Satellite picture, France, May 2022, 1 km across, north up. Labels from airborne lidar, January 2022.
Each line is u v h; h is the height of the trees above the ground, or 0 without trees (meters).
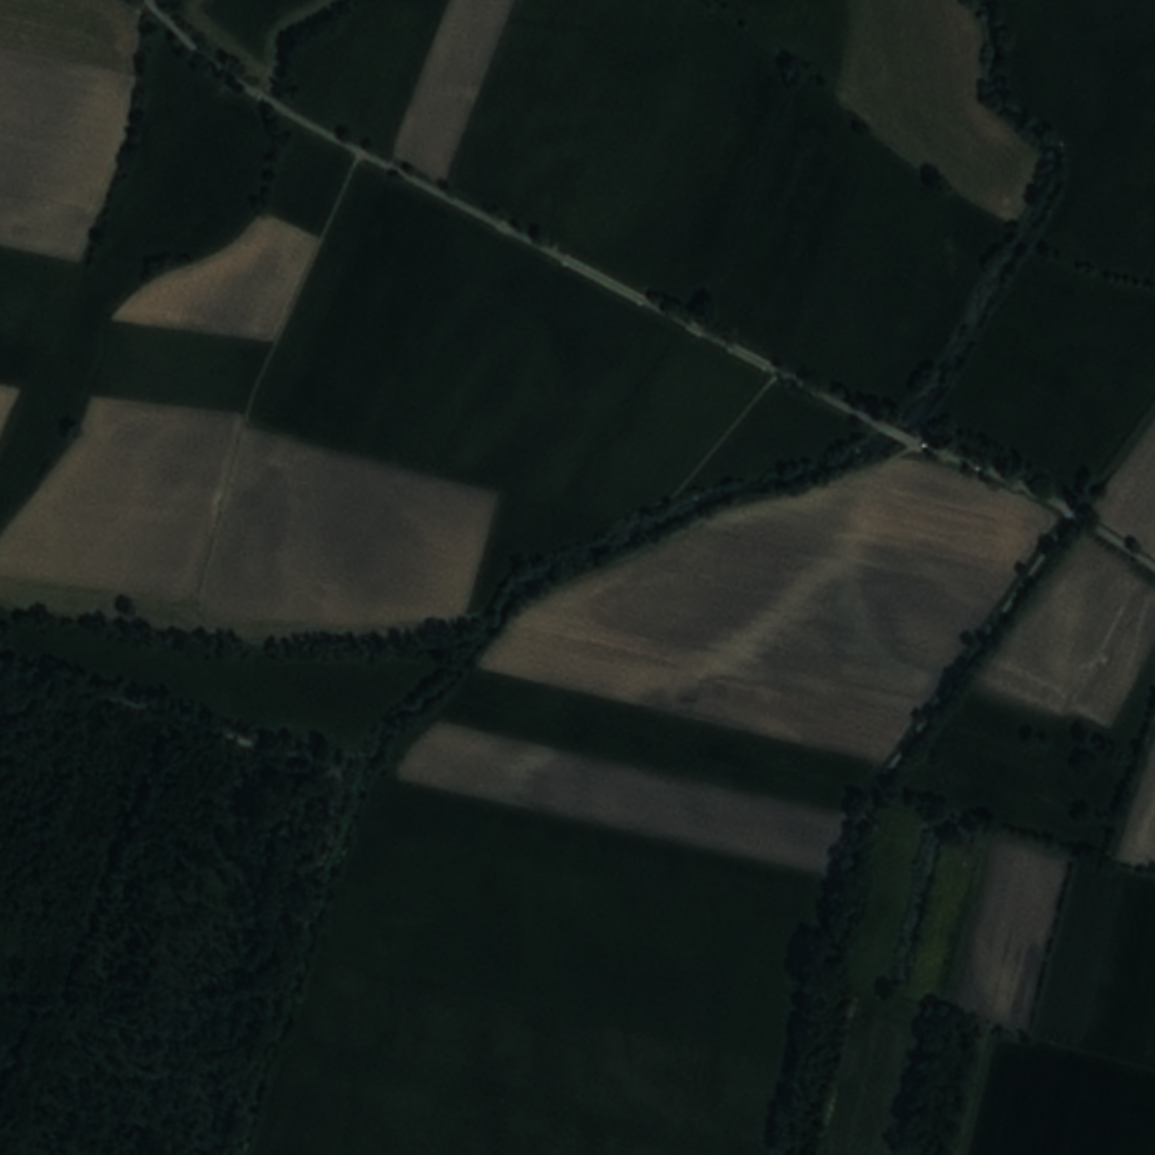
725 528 0
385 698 0
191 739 24
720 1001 0
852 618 0
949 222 0
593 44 0
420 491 0
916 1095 26
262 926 31
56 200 0
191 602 0
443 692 8
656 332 0
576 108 0
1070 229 0
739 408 0
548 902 0
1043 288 0
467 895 0
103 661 0
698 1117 0
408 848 0
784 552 0
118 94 0
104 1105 18
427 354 0
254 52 0
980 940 0
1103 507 0
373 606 0
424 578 0
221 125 0
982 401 0
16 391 0
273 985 27
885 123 0
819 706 0
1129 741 0
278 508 0
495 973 0
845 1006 13
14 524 0
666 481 0
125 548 0
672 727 0
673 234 0
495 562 0
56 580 0
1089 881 0
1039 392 0
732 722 0
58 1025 21
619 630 0
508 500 0
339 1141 0
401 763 0
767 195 0
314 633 0
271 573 0
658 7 0
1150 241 0
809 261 0
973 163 0
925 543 0
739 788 0
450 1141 0
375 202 0
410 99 0
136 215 0
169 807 24
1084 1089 0
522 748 0
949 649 0
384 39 0
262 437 0
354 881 0
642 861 0
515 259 0
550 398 0
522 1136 0
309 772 29
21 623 12
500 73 0
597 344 0
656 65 0
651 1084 0
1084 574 0
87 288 0
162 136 0
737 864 0
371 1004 0
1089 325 0
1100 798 0
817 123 0
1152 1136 0
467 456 0
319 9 0
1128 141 0
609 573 0
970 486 0
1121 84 0
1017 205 0
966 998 0
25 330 0
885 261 0
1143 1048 0
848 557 0
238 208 0
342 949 0
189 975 7
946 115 0
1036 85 0
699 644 0
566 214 0
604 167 0
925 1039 24
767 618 0
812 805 0
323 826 15
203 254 0
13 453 0
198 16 0
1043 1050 0
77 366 0
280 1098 0
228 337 0
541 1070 0
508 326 0
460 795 0
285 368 0
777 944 0
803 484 10
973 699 0
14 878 16
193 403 0
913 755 18
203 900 17
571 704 0
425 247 0
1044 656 0
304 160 0
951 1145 18
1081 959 0
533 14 0
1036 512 0
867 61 0
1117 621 0
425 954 0
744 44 0
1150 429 0
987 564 0
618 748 0
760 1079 0
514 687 0
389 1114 0
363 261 0
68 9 0
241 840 19
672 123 0
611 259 0
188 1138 19
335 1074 0
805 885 0
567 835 0
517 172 0
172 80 0
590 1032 0
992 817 17
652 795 0
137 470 0
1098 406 0
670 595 0
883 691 0
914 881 8
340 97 0
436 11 0
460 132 0
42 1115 23
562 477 0
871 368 0
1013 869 0
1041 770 0
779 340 0
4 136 0
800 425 0
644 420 0
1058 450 0
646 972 0
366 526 0
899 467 0
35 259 0
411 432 0
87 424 0
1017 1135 0
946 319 0
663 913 0
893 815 0
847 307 0
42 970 6
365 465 0
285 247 0
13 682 27
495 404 0
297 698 0
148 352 0
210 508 0
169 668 0
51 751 24
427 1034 0
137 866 22
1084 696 0
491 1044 0
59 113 0
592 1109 0
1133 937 0
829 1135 0
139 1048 18
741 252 0
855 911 22
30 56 0
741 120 0
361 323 0
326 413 0
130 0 18
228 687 0
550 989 0
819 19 0
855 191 0
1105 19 0
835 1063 17
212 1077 19
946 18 0
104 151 0
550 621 0
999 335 0
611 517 0
